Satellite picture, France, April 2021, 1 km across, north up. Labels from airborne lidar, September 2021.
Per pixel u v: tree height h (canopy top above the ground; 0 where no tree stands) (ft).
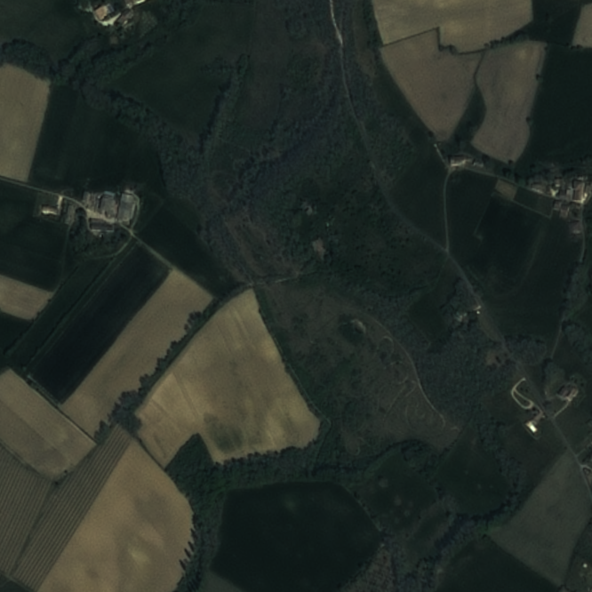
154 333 0
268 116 0
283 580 0
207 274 0
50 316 0
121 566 0
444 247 0
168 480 0
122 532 0
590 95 0
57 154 0
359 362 0
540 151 0
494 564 0
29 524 0
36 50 57
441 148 0
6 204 0
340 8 52
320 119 34
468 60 0
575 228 0
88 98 61
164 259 0
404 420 0
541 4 0
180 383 0
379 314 34
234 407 0
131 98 0
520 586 0
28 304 0
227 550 0
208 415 0
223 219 37
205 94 0
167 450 0
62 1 0
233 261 64
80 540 0
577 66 0
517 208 0
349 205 22
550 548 0
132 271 0
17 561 0
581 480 0
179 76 0
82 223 31
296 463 67
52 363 0
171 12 48
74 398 0
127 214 0
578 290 86
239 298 34
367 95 85
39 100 0
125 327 0
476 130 67
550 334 0
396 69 0
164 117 0
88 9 49
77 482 0
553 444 0
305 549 0
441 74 0
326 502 0
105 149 0
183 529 0
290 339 0
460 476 0
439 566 44
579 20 0
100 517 0
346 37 48
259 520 0
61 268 0
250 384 0
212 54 0
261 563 0
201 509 66
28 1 0
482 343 59
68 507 0
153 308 0
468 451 0
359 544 0
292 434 0
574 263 0
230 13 0
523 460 0
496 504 0
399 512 0
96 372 0
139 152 0
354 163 24
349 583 28
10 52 51
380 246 0
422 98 0
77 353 0
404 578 65
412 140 0
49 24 0
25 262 0
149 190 0
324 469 35
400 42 0
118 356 0
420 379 40
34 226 0
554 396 0
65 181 0
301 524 0
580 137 0
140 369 0
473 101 0
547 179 45
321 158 52
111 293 0
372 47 40
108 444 0
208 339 0
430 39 0
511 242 0
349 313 0
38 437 0
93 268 0
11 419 0
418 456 46
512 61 0
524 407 0
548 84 0
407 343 51
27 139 0
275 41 0
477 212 0
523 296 0
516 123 0
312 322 0
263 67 0
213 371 0
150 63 0
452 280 0
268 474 92
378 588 38
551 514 0
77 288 0
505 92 0
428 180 0
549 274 0
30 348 0
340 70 44
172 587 0
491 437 51
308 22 43
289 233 50
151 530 0
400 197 0
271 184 57
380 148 36
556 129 0
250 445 0
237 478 82
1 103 0
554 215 0
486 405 0
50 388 0
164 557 0
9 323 0
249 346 0
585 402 0
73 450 0
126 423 56
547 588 0
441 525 0
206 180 43
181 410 0
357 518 0
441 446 0
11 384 0
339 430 30
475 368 54
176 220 0
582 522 0
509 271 0
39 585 0
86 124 0
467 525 62
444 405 48
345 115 42
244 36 0
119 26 31
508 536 0
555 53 0
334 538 0
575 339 70
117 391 0
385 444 18
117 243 27
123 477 0
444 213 0
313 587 0
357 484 54
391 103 0
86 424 0
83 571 0
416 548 0
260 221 44
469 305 63
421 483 0
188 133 0
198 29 0
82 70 50
